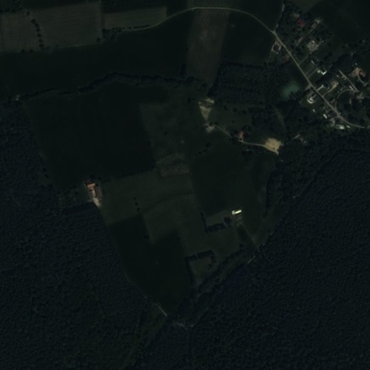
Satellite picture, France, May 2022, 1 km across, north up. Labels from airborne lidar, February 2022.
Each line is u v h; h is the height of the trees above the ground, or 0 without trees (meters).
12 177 22
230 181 0
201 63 0
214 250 0
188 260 19
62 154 0
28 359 36
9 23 0
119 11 0
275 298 20
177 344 32
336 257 20
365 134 19
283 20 13
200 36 0
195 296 23
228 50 0
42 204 31
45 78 0
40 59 0
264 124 23
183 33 0
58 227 31
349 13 0
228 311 32
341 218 24
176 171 0
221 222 0
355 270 16
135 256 0
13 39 0
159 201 0
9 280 29
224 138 0
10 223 23
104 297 30
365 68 0
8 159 27
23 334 32
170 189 0
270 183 15
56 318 32
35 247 31
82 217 28
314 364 19
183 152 0
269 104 7
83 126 0
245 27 0
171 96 0
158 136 0
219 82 15
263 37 0
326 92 0
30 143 29
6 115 24
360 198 26
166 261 0
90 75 0
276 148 0
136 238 0
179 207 0
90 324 38
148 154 0
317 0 0
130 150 0
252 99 21
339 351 19
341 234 22
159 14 0
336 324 19
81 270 37
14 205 22
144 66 0
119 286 26
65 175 0
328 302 21
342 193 20
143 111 0
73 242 20
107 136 0
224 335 20
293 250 15
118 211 0
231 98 22
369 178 30
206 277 0
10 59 0
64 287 37
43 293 31
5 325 33
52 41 0
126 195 0
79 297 36
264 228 0
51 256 35
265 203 0
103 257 29
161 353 30
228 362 15
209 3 0
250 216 0
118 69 0
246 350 32
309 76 0
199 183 0
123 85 0
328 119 7
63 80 0
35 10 0
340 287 20
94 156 0
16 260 28
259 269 28
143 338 6
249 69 19
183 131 0
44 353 36
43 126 0
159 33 0
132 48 0
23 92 0
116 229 0
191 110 0
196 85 24
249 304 14
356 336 14
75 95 0
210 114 0
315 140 0
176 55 0
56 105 0
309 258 18
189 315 26
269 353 23
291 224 16
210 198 0
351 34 0
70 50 0
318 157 17
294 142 18
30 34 0
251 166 0
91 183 0
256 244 0
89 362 32
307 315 20
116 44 0
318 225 23
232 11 0
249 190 0
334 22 0
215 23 0
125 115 0
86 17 0
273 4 0
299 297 22
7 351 32
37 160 28
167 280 0
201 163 0
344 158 27
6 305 27
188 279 0
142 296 21
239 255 17
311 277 20
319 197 24
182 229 0
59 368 34
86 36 0
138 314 23
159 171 0
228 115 0
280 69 17
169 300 0
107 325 33
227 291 34
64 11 0
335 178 26
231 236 0
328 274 10
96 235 27
